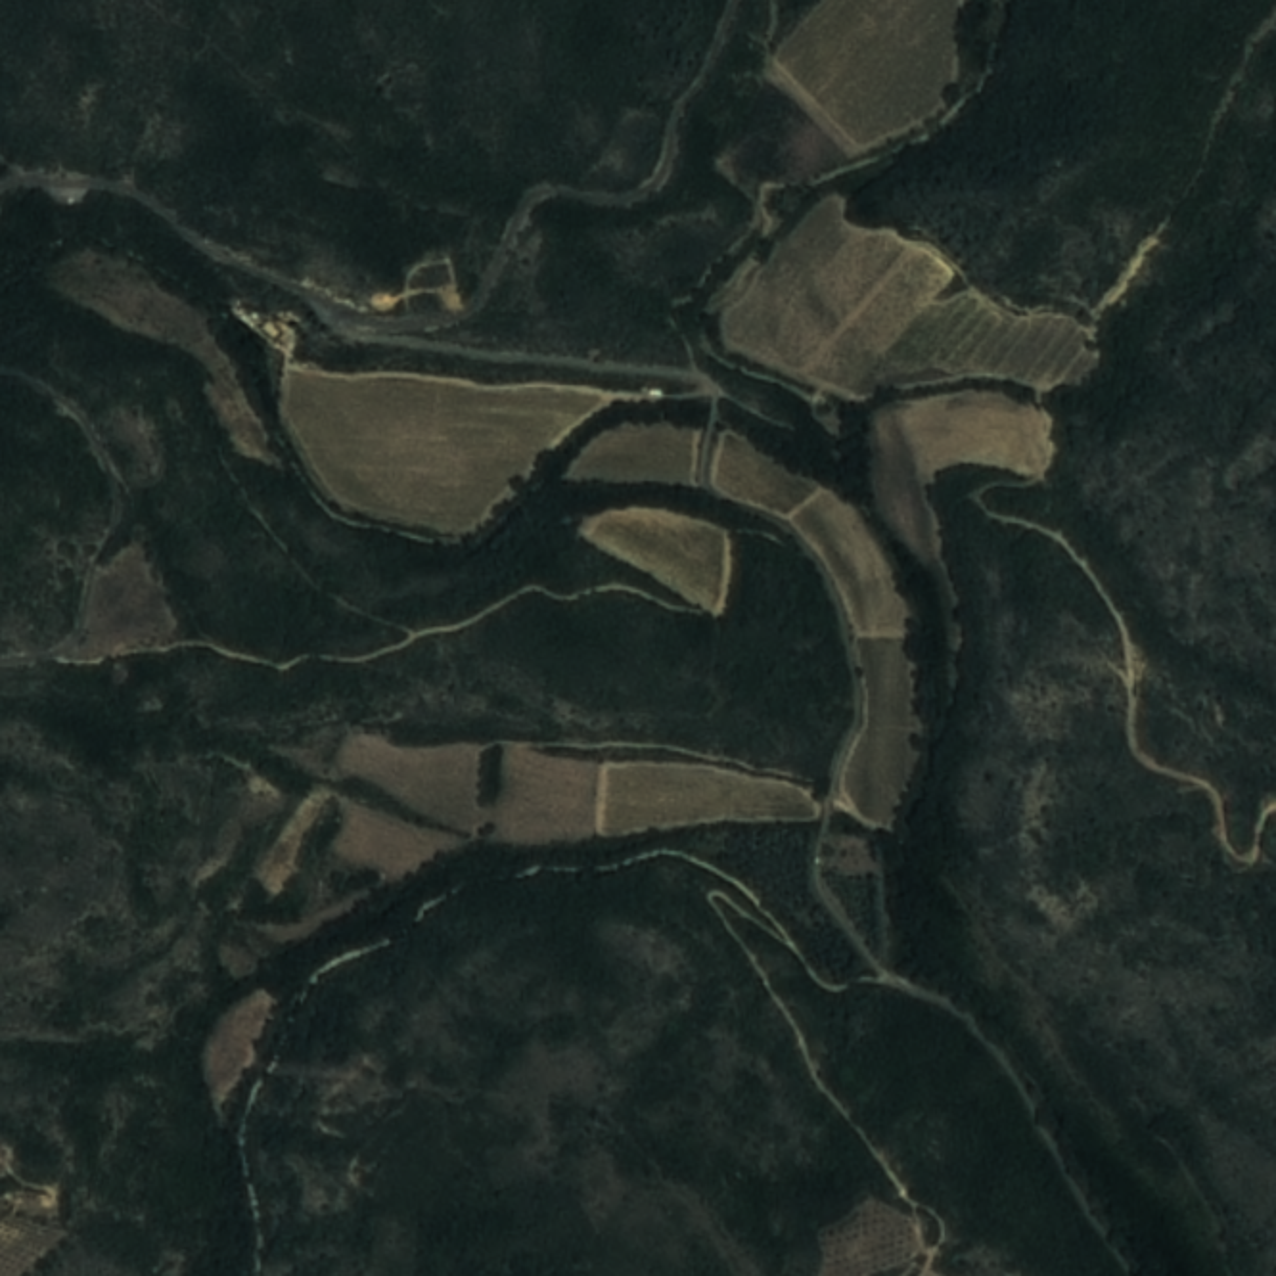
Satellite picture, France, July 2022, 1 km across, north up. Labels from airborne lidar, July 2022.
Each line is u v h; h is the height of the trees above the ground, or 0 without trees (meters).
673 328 10
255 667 7
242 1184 7
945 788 8
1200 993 0
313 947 10
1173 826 5
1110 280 8
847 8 0
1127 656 0
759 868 9
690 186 7
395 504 0
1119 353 8
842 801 0
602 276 8
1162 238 7
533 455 0
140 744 6
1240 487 6
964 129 9
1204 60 7
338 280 0
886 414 0
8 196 8
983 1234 8
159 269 9
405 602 6
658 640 5
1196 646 6
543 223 8
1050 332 0
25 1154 6
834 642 7
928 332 0
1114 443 8
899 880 16
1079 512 7
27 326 6
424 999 6
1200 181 7
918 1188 6
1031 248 6
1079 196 7
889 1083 10
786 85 0
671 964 0
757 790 0
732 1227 6
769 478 0
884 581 0
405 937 8
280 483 9
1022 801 0
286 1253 6
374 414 0
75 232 6
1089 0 9
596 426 13
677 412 17
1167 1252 11
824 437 12
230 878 10
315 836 6
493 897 8
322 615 7
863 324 0
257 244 6
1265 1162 0
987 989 7
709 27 7
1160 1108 8
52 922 0
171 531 6
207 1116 7
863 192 12
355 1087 0
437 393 0
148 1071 7
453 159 6
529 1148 0
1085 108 9
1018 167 7
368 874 7
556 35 7
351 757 0
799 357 0
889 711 0
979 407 0
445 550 8
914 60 0
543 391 0
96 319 10
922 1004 9
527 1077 0
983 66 7
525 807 0
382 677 6
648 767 0
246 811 0
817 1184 7
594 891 8
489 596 6
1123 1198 10
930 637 8
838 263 0
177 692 7
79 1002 6
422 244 6
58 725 10
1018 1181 7
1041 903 0
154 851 6
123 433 0
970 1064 8
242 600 8
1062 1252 8
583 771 0
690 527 0
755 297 0
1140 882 7
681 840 7
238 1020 0
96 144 6
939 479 9
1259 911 6
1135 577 6
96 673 6
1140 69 6
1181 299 7
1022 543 8
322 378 0
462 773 0
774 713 6
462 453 0
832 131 0
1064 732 0
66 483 6
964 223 16
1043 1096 9
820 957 13
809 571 9
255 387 12
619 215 7
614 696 7
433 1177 0
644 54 6
